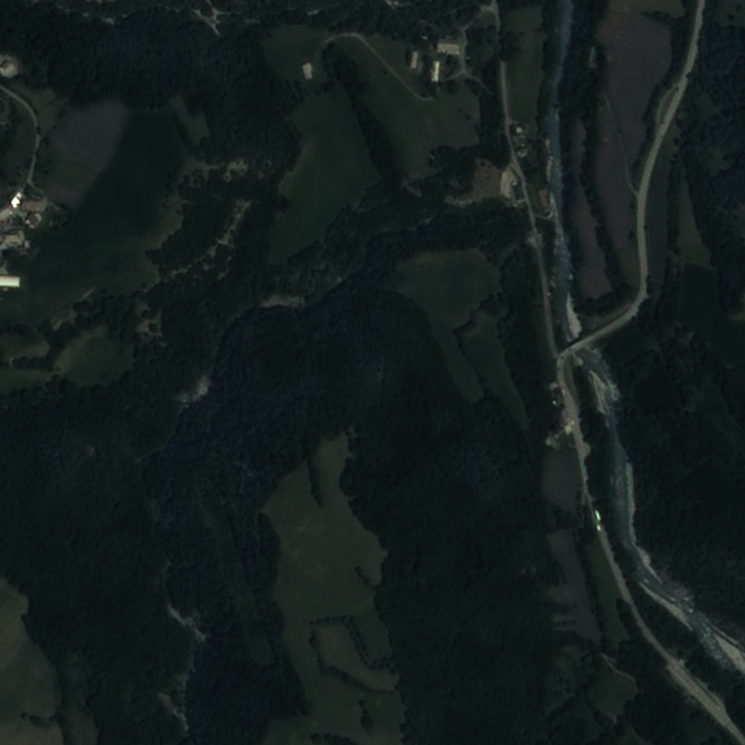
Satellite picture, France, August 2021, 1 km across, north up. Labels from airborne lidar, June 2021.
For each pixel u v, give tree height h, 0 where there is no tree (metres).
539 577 12
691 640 11
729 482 0
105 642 24
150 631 20
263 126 17
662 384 0
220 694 24
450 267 0
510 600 22
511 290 17
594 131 15
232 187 11
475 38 12
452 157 11
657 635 10
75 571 22
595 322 0
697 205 13
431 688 22
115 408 20
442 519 27
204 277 11
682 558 9
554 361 0
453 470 20
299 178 0
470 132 0
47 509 17
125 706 13
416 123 0
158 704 21
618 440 0
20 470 18
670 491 19
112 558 22
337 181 0
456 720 24
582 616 0
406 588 27
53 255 0
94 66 9
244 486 10
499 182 0
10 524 18
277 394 17
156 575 13
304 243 0
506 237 14
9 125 7
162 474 14
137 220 0
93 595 24
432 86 8
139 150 0
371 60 0
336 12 11
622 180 0
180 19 16
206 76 15
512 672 22
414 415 20
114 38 13
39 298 0
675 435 18
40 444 17
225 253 13
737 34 19
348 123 0
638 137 0
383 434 21
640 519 14
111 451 20
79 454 12
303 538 0
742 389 9
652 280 11
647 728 28
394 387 22
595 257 0
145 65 14
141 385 18
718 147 12
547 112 15
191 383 16
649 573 0
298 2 12
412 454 19
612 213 0
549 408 14
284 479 14
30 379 0
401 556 22
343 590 0
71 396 22
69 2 11
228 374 15
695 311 0
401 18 14
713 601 11
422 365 22
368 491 33
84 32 22
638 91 0
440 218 12
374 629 0
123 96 11
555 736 21
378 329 17
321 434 16
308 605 0
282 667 15
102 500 22
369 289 13
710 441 18
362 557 0
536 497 21
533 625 14
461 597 24
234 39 14
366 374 14
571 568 0
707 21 7
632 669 21
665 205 0
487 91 13
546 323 0
